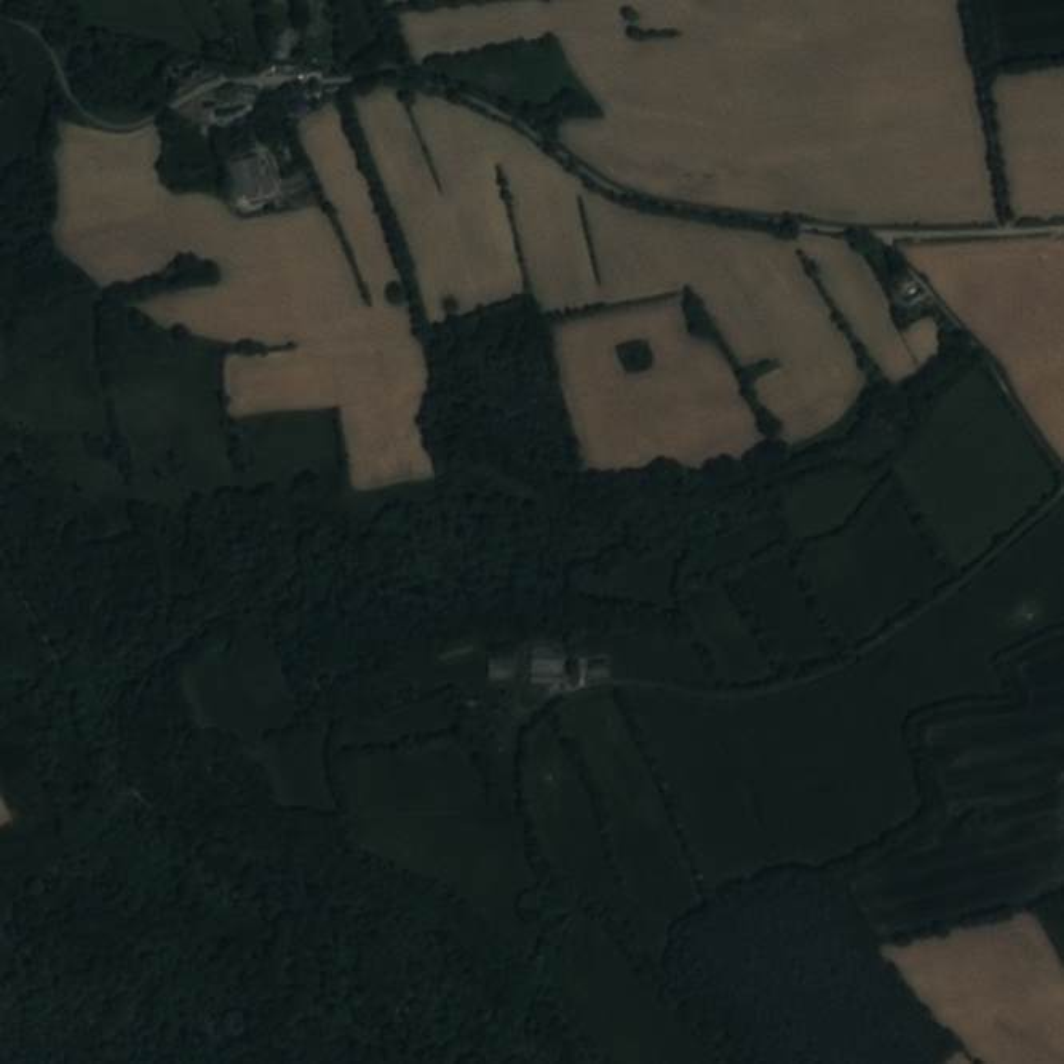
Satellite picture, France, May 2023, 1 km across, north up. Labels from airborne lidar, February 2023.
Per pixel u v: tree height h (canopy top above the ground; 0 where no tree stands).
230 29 8
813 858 0
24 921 14
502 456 21
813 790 0
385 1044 14
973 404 0
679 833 6
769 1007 13
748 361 0
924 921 0
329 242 0
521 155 0
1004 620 0
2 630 0
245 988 15
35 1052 12
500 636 21
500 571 8
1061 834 0
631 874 0
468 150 0
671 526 6
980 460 0
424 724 0
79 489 19
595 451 0
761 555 9
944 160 0
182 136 0
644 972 12
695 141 0
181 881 16
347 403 0
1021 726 0
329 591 9
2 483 13
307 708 11
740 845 0
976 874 0
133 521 13
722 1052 18
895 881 0
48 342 0
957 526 0
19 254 22
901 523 0
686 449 0
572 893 9
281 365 0
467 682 0
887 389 17
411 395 0
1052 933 0
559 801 0
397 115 0
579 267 0
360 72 14
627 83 0
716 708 0
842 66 0
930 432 0
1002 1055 0
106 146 0
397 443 0
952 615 0
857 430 12
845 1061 16
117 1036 6
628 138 0
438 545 7
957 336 14
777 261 0
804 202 0
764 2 0
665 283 0
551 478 16
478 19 0
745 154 0
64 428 0
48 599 14
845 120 0
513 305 9
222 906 7
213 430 0
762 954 16
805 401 0
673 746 0
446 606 20
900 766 0
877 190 0
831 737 0
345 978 25
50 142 20
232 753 12
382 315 0
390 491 0
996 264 0
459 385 7
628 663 0
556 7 0
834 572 0
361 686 14
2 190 12
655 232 0
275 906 9
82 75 20
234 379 0
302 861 21
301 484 19
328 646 22
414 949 6
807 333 0
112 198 0
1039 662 0
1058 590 0
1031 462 0
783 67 0
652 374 0
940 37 0
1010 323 0
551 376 9
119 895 16
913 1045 18
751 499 10
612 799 0
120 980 9
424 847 0
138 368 0
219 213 0
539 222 0
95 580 6
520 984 20
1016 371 0
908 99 0
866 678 0
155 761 13
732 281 0
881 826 0
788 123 0
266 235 0
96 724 16
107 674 9
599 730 0
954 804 0
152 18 0
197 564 9
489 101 8
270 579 14
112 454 14
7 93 6
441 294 0
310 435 0
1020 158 0
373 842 0
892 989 18
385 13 9
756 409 6
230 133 11
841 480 0
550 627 16
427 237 0
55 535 14
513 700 0
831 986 11
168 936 9
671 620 19
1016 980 0
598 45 0
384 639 19
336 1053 17
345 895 21
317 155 0
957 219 0
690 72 0
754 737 0
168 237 0
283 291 0
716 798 0
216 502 7
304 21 17
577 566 17
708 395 0
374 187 9
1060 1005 0
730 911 18
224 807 18
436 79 10
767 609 0
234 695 0
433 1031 9
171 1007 9
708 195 0
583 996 0
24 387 0
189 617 13
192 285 10
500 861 0
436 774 0
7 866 0
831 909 17
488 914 0
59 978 11
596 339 0
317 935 15
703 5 0
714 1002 20
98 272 0
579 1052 17
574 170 11
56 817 11
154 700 21
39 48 0
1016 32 0
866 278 0
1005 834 0
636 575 0
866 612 0
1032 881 0
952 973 0
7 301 13
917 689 0
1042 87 0
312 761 0
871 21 0
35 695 8
